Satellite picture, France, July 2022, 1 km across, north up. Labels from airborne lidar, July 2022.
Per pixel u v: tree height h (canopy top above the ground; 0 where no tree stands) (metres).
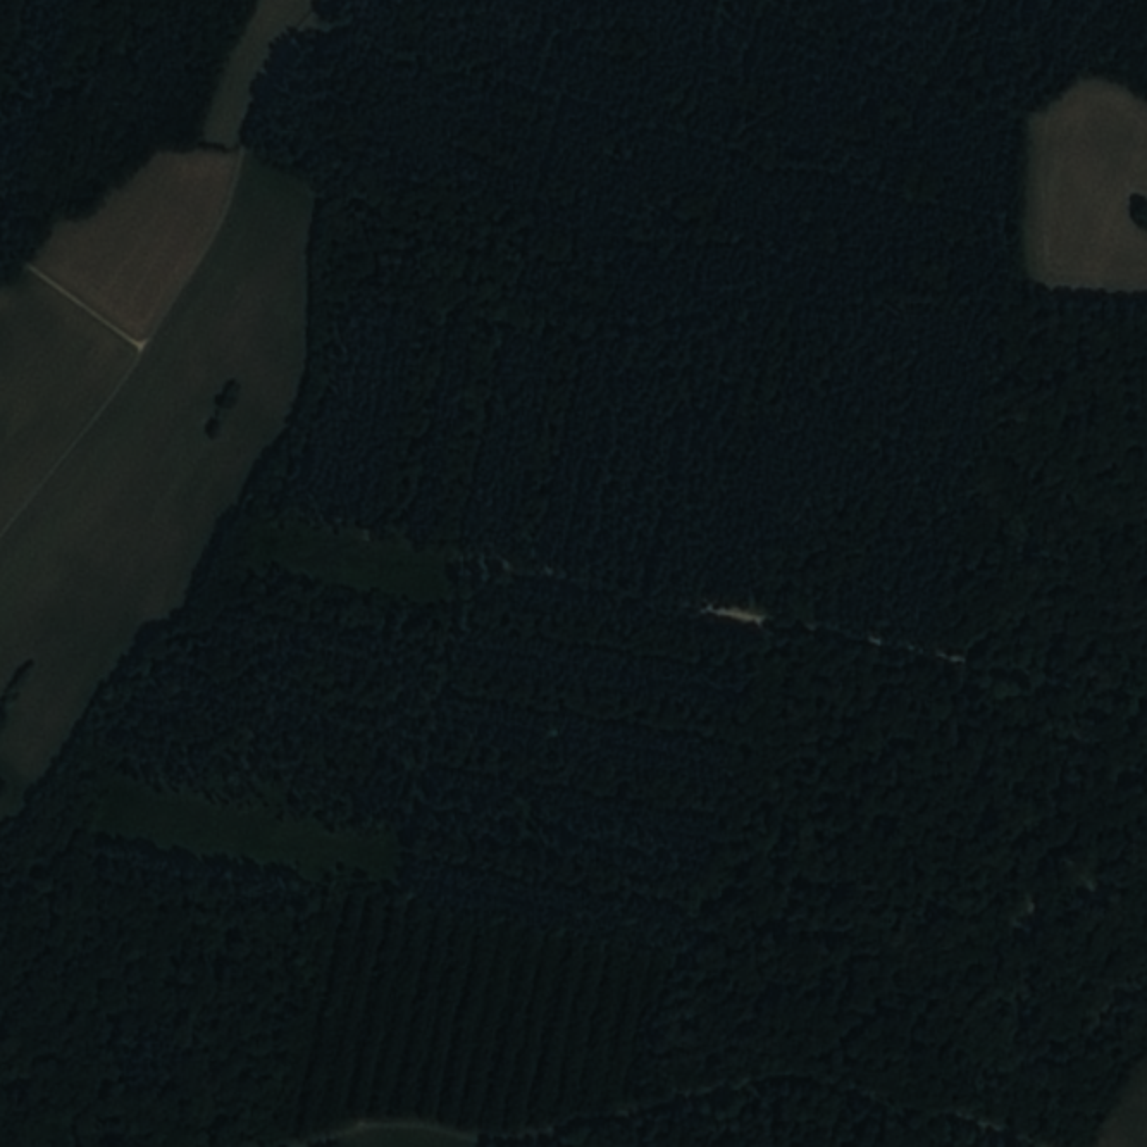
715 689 30
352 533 0
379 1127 0
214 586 22
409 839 29
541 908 29
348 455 30
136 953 23
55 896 23
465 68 15
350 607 21
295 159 8
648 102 25
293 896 7
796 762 18
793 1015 25
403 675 27
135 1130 25
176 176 0
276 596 23
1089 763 23
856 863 22
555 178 20
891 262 26
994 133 23
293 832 0
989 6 27
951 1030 21
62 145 23
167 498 0
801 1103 23
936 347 25
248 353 0
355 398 28
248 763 28
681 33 26
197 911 26
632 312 23
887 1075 28
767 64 25
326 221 20
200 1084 24
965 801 24
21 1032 25
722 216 25
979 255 23
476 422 24
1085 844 29
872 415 30
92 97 25
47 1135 22
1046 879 24
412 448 23
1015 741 23
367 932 13
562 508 29
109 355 0
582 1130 20
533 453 26
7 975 22
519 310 28
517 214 24
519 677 24
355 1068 7
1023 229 9
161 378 0
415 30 20
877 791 25
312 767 32
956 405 26
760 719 22
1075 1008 24
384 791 25
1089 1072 17
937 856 16
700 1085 18
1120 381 23
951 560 20
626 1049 13
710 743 27
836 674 25
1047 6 30
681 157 27
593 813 37
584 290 26
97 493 0
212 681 28
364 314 28
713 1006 20
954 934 22
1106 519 24
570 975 12
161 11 24
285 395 0
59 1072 27
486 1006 13
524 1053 13
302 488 28
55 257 0
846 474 27
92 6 20
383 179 26
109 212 0
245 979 23
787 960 24
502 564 23
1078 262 0
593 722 28
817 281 26
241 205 0
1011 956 22
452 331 24
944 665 10
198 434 0
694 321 31
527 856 26
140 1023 31
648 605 31
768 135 28
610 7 29
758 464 30
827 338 23
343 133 23
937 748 24
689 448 38
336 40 17
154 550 0
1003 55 28
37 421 0
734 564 28
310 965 21
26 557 0
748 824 23
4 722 15
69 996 21
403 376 21
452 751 23
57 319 0
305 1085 8
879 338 29
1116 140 0
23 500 0
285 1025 27
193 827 0
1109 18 26
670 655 30
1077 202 0
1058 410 24
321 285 16
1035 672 27
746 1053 21
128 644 0
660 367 34
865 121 22
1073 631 24
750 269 30
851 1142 25
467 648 26
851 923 22
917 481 22
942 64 26
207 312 0
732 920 23
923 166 20
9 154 28
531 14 30
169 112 26
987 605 20
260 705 33
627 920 25
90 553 0
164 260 0
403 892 18
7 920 21
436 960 14
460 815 33
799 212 27
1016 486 21
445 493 25
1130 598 25
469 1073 10
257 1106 23
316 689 26
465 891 26
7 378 0
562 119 25
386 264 21
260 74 0
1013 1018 24
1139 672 21
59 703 0
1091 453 21
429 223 21
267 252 0
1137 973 15
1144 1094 0
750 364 24
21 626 0
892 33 38
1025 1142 22
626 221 31
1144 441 21
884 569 29
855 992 31
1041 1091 21
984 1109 20
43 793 15
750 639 24
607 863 25
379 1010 12
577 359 20
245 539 16
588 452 24
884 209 27
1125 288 0
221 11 24
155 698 25
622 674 29
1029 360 25
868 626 23
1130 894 22
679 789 22
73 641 0
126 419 0
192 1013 19
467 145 23
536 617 25
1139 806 20
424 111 27
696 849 30
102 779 13
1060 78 20
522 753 29
